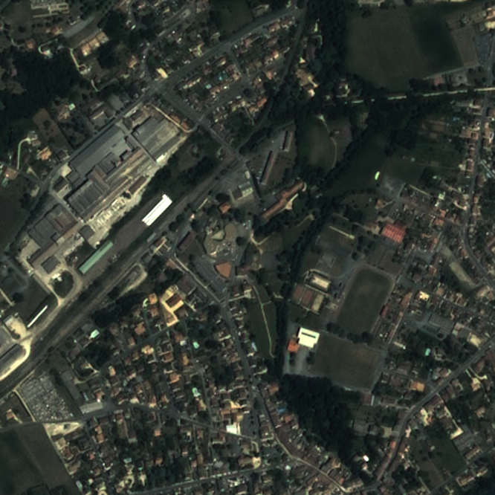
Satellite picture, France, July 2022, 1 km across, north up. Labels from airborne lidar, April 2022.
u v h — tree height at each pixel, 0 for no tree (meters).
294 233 0
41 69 13
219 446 8
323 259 0
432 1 0
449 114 0
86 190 0
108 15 13
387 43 0
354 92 18
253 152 11
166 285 11
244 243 21
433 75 0
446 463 0
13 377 0
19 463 0
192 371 0
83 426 0
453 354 13
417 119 18
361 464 0
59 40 10
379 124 18
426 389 0
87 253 0
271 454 0
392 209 0
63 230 0
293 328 0
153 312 0
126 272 0
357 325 0
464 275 0
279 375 10
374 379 0
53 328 0
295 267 15
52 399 0
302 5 15
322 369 0
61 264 0
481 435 0
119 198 0
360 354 0
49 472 0
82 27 0
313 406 20
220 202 18
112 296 8
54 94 19
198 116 0
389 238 0
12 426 0
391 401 0
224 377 8
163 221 0
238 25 0
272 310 0
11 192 0
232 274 0
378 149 0
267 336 0
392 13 0
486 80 9
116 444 10
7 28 15
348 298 0
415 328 0
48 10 0
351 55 0
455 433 0
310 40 6
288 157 0
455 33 0
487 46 0
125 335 0
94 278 0
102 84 11
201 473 0
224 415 0
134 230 0
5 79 13
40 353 0
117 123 0
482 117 0
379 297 0
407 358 12
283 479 9
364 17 10
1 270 0
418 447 0
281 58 0
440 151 0
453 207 7
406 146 23
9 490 0
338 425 13
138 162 0
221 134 0
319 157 0
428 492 0
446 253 0
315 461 0
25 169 0
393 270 0
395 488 7
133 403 0
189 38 6
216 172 0
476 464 10
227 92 0
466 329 0
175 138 0
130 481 6
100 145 0
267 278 0
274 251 0
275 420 0
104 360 10
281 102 23
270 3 9
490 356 0
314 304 0
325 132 0
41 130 0
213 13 15
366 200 0
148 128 0
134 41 8
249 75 0
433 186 9
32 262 0
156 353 0
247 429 0
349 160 18
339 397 6
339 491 0
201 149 7
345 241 0
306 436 15
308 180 14
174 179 0
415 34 0
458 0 0
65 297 0
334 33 16
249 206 0
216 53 0
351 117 10
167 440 9
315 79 6
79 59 6
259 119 7
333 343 0
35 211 9
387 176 0
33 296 0
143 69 0
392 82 0
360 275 0
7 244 0
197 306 10
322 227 19
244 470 8
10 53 12
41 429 0
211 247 0
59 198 0
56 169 0
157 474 23
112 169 0
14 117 21
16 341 0
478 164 0
